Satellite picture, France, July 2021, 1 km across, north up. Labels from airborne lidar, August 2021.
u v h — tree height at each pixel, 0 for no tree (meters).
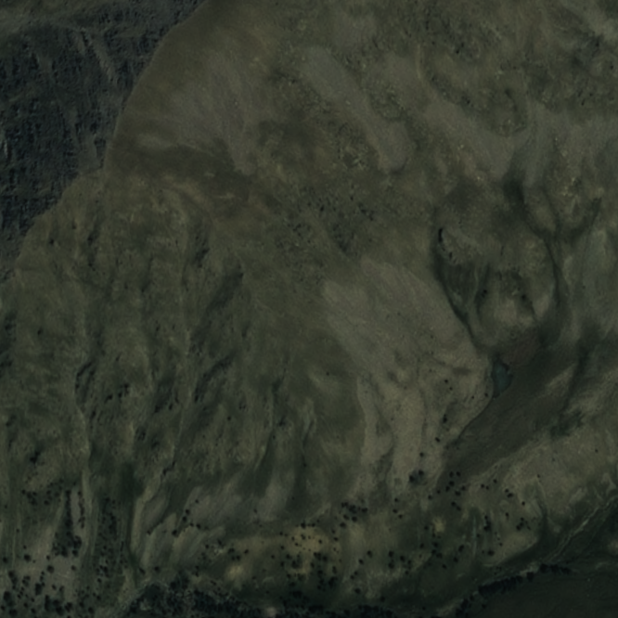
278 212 0
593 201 0
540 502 0
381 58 0
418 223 0
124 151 0
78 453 0
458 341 0
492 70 0
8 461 0
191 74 0
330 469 0
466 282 0
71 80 0
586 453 0
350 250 0
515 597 0
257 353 0
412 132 0
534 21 0
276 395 0
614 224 0
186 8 0
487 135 0
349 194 0
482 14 0
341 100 0
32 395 0
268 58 0
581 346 0
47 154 0
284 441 0
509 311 0
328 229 0
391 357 0
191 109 0
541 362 0
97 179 0
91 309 0
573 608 0
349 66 0
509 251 0
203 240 0
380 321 0
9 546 0
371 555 10
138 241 0
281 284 0
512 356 0
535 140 0
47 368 0
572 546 0
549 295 0
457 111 0
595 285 0
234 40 0
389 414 0
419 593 0
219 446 0
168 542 0
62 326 0
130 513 0
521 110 0
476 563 0
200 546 0
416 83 0
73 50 0
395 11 0
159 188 0
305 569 0
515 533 0
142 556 0
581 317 0
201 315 0
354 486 0
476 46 0
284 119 0
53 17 0
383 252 0
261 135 0
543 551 0
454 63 0
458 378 0
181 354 0
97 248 0
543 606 0
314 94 0
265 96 0
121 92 0
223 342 0
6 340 0
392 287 0
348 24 0
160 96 0
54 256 0
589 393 0
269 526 0
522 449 0
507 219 0
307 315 0
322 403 0
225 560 0
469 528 0
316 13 0
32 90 0
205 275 0
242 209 0
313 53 0
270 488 0
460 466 0
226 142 0
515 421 0
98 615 0
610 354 0
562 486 0
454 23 0
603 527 0
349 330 0
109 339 0
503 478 0
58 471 0
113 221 0
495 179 0
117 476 0
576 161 0
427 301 0
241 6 0
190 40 0
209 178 0
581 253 0
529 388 0
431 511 0
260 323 0
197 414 0
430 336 0
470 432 0
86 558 0
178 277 0
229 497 0
